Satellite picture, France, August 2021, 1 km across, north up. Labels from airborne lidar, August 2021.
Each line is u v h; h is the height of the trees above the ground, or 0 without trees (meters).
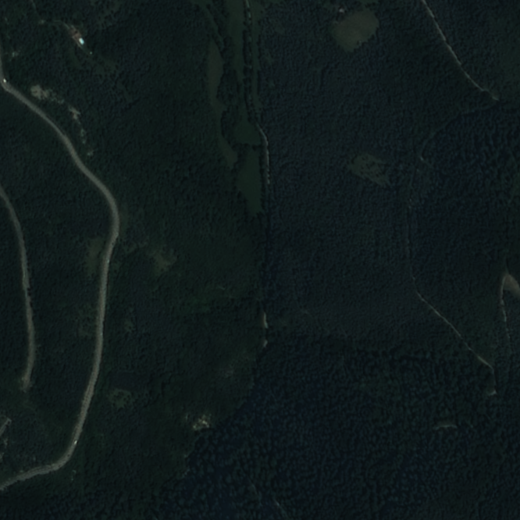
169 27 24
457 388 21
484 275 19
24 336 23
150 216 10
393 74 19
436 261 25
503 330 10
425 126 16
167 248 8
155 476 28
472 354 14
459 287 18
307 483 33
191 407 14
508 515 22
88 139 7
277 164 13
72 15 16
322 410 33
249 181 0
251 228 22
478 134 27
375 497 19
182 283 11
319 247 17
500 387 12
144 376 16
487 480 23
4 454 7
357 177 23
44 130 7
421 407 6
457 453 14
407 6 8
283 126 12
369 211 20
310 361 31
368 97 13
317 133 14
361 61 12
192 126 16
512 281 0
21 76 15
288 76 7
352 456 30
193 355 14
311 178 17
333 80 14
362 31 0
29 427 10
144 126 18
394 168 17
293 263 20
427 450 8
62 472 9
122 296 10
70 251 12
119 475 15
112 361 9
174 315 18
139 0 20
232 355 14
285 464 32
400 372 8
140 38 16
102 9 13
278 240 21
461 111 15
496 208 22
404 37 20
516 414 26
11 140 8
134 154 16
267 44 6
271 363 19
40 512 32
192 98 18
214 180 18
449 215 22
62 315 14
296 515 22
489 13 14
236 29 0
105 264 0
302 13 12
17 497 14
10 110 7
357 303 19
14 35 12
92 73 13
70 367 15
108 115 7
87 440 7
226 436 22
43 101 9
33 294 16
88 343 16
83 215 17
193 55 13
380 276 21
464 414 20
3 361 15
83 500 34
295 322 11
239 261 10
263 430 35
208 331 15
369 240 18
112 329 11
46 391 25
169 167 18
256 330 25
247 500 28
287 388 26
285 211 15
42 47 8
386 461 11
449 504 22
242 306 13
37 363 7
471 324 8
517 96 6
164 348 10
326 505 31
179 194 24
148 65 14
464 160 22
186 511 23
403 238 14
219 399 23
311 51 8
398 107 15
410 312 13
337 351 30
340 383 27
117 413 12
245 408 18
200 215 22
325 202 18
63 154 9
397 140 14
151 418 21
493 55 6
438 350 18
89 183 11
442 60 14
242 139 0
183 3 30
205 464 16
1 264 26
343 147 14
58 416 13
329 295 18
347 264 18
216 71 0
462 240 22
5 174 15
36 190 14
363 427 28
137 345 20
